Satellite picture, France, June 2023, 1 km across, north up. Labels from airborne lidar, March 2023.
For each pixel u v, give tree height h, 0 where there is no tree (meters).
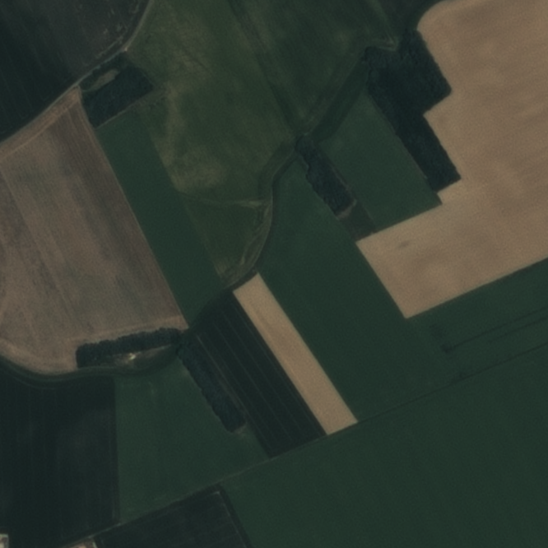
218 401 14
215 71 0
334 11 0
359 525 0
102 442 0
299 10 0
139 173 0
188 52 0
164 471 0
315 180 14
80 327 0
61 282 0
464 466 0
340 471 0
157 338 14
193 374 15
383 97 7
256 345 0
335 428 0
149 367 0
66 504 0
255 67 0
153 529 0
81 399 0
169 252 0
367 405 0
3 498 0
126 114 0
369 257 0
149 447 0
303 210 0
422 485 0
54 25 0
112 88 14
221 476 0
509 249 0
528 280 0
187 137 0
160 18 0
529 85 0
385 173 0
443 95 9
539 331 0
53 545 0
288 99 0
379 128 0
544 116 0
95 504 0
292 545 0
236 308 0
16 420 0
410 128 10
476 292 0
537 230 0
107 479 0
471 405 0
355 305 0
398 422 0
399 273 0
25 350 0
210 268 0
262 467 0
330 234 0
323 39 0
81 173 0
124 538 0
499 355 0
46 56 0
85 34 0
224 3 0
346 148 0
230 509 0
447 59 0
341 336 0
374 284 0
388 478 0
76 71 0
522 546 0
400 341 0
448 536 0
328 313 0
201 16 0
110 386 0
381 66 16
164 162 0
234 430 12
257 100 0
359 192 0
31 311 0
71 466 0
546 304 0
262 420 0
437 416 0
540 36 0
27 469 0
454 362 0
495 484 0
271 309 0
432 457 0
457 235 0
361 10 0
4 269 0
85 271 0
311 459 0
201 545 0
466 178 0
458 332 0
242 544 0
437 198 0
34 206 0
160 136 0
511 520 0
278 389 0
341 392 0
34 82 0
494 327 0
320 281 0
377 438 0
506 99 0
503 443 0
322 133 0
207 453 0
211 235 0
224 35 0
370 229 0
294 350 0
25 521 0
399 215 0
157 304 0
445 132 0
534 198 0
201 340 0
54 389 0
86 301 0
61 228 0
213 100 0
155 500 0
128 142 0
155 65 0
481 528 0
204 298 0
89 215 0
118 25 0
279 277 0
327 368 0
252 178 0
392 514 0
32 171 0
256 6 0
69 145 0
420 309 0
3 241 0
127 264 0
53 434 0
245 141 0
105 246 0
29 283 0
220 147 0
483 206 0
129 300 0
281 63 0
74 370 0
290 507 0
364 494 0
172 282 0
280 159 0
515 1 0
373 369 0
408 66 12
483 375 0
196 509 0
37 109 0
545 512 0
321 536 0
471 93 0
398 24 0
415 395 0
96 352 14
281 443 0
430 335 0
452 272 0
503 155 0
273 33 0
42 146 0
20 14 0
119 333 0
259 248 0
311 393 0
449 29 0
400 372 0
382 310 0
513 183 0
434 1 0
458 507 0
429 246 0
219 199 0
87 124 0
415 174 0
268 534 0
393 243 0
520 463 0
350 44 0
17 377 0
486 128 0
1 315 0
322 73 0
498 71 0
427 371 0
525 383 0
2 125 0
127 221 0
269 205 0
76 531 0
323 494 0
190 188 0
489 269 0
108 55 0
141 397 0
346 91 0
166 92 0
